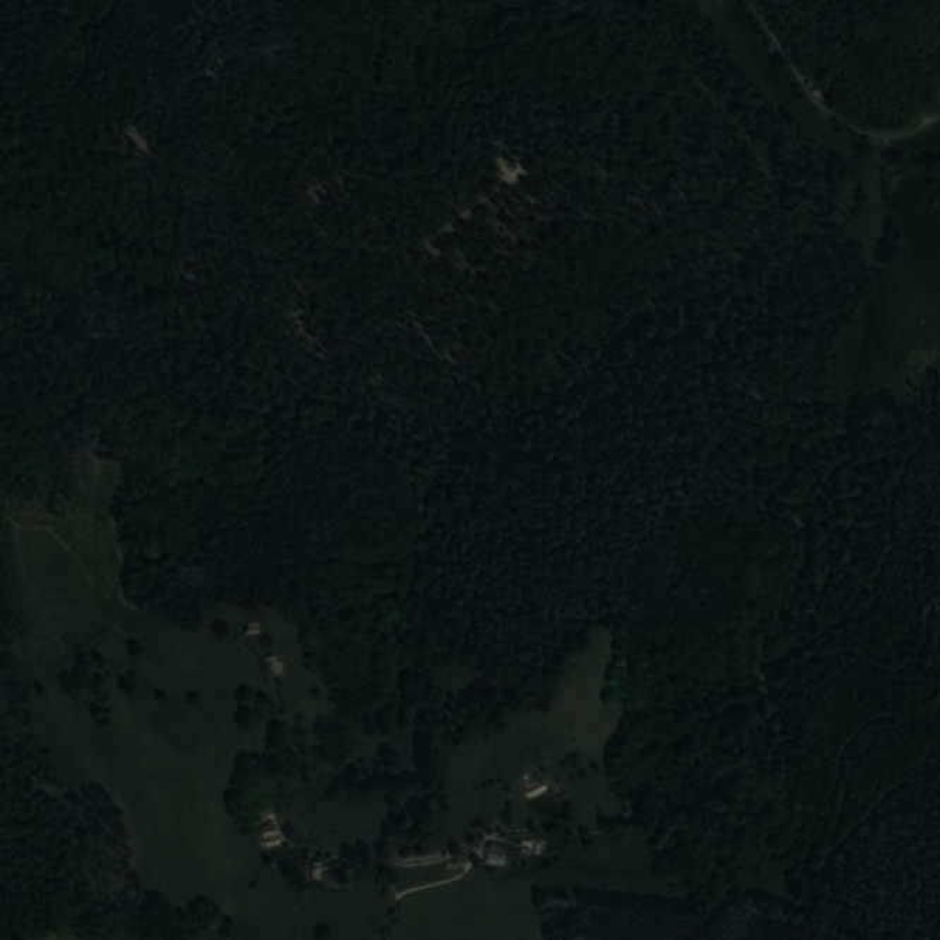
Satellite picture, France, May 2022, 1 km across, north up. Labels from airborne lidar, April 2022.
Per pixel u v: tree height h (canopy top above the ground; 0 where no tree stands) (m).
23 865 25
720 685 22
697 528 18
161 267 30
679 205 28
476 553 35
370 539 23
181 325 31
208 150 23
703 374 33
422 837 15
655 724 29
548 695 12
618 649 15
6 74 19
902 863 26
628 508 31
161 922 15
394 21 22
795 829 20
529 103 18
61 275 25
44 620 0
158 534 29
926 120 0
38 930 16
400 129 22
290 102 18
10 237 18
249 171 26
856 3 19
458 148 27
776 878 0
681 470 30
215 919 16
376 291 25
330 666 27
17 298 30
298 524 21
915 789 16
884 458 12
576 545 34
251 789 22
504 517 28
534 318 19
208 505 28
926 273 0
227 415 28
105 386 30
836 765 12
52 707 0
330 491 24
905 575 15
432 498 35
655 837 22
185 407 24
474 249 26
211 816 0
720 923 32
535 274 24
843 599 21
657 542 12
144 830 0
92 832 22
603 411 36
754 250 32
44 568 0
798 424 19
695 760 22
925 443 20
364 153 13
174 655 0
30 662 0
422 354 24
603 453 29
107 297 29
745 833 31
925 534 13
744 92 23
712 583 14
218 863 0
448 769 0
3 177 16
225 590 23
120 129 26
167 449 22
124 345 27
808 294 37
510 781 0
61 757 0
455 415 26
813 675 13
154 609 36
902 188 0
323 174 26
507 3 24
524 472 34
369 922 0
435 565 37
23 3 20
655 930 29
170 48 15
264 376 36
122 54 26
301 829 0
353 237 11
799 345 32
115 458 23
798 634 14
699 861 21
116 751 0
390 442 29
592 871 0
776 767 17
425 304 23
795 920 26
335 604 34
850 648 11
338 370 29
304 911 0
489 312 21
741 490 21
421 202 25
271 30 17
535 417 32
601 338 31
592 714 0
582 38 12
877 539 10
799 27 19
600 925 24
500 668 26
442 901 0
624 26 12
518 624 31
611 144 13
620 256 18
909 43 18
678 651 15
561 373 7
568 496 32
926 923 25
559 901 20
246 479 35
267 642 11
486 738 6
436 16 26
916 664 14
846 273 24
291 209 19
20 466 23
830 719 11
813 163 22
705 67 10
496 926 0
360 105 21
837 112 18
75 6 29
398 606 35
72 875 22
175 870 0
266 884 0
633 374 33
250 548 22
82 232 16
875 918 31
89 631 0
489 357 15
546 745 0
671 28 9
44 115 21
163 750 0
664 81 26
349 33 22
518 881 0
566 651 24
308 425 22
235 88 19
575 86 17
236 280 27
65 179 26
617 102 12
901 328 0
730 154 17
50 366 33
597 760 0
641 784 12
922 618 11
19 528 0
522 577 31
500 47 19
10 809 26
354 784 19
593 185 22
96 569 0
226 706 0
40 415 22
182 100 22
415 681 28
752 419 17
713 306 38
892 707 16
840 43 11
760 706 25
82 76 26
